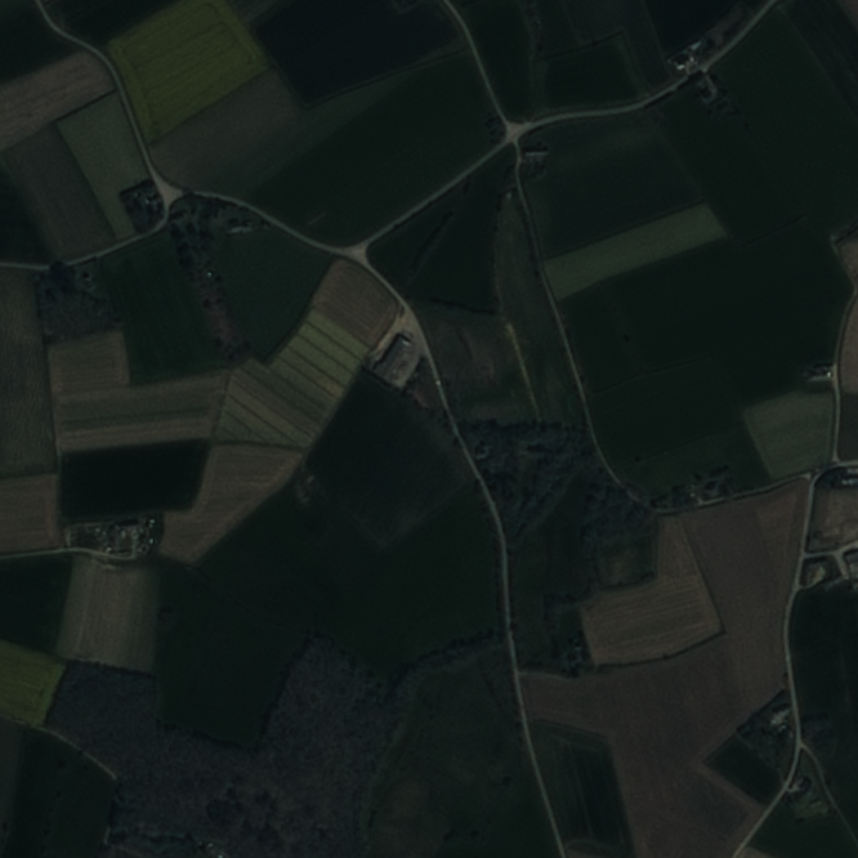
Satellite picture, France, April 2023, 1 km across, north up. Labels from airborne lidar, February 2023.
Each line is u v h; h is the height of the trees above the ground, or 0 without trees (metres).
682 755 0
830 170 0
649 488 0
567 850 0
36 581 0
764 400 0
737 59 0
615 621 0
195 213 7
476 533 0
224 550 0
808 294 0
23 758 0
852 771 0
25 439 0
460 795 0
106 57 0
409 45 0
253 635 0
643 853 0
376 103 0
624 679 0
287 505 0
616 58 0
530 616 0
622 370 0
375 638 0
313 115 0
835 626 0
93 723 17
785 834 0
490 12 0
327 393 0
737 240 0
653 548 0
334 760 8
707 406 0
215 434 0
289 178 0
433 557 0
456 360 0
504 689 0
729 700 0
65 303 11
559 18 0
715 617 0
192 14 0
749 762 0
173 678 0
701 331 0
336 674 11
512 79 0
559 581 0
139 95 0
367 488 0
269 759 10
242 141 0
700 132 0
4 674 0
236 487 0
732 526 0
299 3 0
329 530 0
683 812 0
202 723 0
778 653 0
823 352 0
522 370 0
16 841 0
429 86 0
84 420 0
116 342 0
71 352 0
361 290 0
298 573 0
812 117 0
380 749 9
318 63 0
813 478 0
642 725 0
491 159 0
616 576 0
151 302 0
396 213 0
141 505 0
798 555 0
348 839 18
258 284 0
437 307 9
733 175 0
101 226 0
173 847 10
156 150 0
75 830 0
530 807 0
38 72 0
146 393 0
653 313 0
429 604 0
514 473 16
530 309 0
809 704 0
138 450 0
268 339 0
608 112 0
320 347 0
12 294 0
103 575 0
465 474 0
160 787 14
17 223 0
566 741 0
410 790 0
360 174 0
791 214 0
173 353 0
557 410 0
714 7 0
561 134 0
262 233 0
